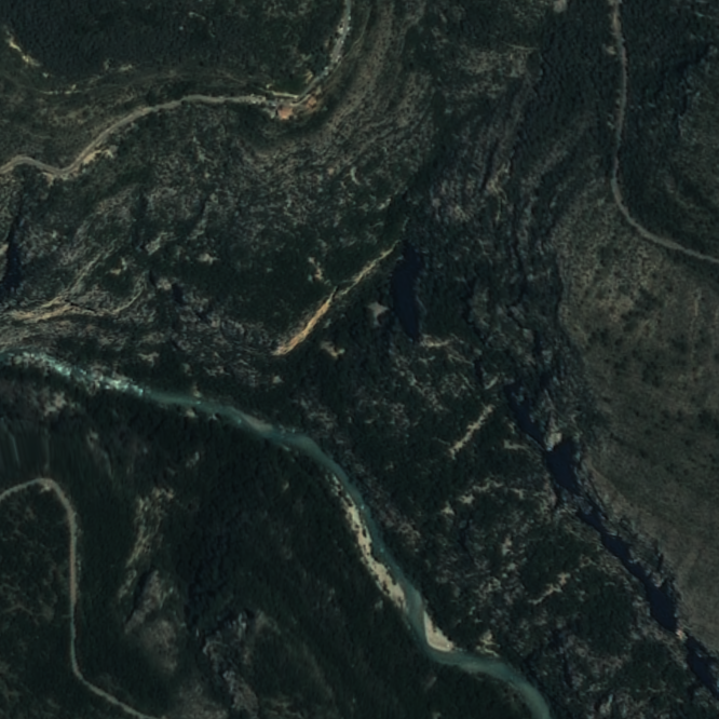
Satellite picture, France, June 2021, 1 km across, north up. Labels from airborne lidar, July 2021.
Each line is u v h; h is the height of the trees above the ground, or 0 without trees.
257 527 9
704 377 0
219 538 7
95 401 9
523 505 12
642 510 0
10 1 11
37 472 9
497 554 11
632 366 0
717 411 0
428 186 7
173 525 10
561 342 10
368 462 15
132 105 11
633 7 12
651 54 6
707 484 0
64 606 9
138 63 6
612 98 9
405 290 13
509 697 8
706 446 0
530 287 10
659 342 0
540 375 9
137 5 8
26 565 8
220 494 12
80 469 7
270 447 25
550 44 14
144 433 25
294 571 14
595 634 12
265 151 0
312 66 15
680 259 9
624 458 0
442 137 7
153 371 15
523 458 7
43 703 7
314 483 6
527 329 27
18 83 0
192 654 6
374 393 8
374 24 7
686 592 0
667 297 0
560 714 21
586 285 0
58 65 8
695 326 0
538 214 12
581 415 7
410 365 8
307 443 0
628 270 0
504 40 13
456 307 10
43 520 7
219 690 7
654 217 9
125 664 11
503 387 8
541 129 10
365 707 12
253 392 16
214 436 22
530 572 9
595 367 0
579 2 12
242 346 6
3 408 16
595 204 0
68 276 8
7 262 8
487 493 8
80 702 12
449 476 11
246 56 9
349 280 21
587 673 14
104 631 12
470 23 11
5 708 11
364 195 9
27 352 0
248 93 8
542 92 14
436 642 0
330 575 16
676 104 8
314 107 8
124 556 8
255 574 11
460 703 20
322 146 0
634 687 11
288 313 7
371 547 9
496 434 15
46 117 0
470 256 8
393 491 9
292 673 10
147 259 7
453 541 7
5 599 7
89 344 12
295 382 13
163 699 8
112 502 13
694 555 0
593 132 14
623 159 8
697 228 8
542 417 6
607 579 10
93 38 9
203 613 13
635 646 12
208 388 14
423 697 15
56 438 8
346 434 9
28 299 8
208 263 6
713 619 0
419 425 11
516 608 15
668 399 0
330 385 14
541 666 8
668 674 16
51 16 9
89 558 11
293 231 6
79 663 10
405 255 6
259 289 6
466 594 12
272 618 8
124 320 8
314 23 9
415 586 6
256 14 6
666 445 0
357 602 22
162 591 15
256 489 11
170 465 17
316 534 16
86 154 0
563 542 9
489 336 10
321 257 7
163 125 8
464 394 6
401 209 9
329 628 13
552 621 17
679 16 7
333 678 9
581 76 10
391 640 17
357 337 6
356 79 0
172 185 8
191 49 8
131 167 8
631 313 9
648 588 6
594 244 0
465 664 0
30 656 9
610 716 9
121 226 8
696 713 6
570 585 12
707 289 0
